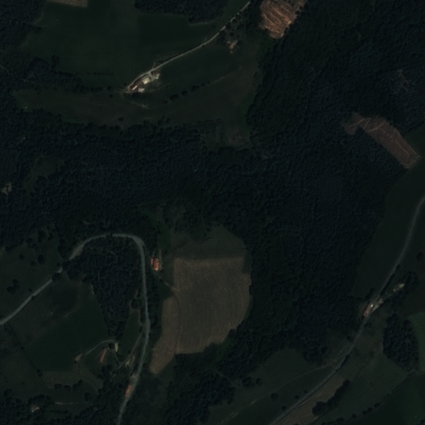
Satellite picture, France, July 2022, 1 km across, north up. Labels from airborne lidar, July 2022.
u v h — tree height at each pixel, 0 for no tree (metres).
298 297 23
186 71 0
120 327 13
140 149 18
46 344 0
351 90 25
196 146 25
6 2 20
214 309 0
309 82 18
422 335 0
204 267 0
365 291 0
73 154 23
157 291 17
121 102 0
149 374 0
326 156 15
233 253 0
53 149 24
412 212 0
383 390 0
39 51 0
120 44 0
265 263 23
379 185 14
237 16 10
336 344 0
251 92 0
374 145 19
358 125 0
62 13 0
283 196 18
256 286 13
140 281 10
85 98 0
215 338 0
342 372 0
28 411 12
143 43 0
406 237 0
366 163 17
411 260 0
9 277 0
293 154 25
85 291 0
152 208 8
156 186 26
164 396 0
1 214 18
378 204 17
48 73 26
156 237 10
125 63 0
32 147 23
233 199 23
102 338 0
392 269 0
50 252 0
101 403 10
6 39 12
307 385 0
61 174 21
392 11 25
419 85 26
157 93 0
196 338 0
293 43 20
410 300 0
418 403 0
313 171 21
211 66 0
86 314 0
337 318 16
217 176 30
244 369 20
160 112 0
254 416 0
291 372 0
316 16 21
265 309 10
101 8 0
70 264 17
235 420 0
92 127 20
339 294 15
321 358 18
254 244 10
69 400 0
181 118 0
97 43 0
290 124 18
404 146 0
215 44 0
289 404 0
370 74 27
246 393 0
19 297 0
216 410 0
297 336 27
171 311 0
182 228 9
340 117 32
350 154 15
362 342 0
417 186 0
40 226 21
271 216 19
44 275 0
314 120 28
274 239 19
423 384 0
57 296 0
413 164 0
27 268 0
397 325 16
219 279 0
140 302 16
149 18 0
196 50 0
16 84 15
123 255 15
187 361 10
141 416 0
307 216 21
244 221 20
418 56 14
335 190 19
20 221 21
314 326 39
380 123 0
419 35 20
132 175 23
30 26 12
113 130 18
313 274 19
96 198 20
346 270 21
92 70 0
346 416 0
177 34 0
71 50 0
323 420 0
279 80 29
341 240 20
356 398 0
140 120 0
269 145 23
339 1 25
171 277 0
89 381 0
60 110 0
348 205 23
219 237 0
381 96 30
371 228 24
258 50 0
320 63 15
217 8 23
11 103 28
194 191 30
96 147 23
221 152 18
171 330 0
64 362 0
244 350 15
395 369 0
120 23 0
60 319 0
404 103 25
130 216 17
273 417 0
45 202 20
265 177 28
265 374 0
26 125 17
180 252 0
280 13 0
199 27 0
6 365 0
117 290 17
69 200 19
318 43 29
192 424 26
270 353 17
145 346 0
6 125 19
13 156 24
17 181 24
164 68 0
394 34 26
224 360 6
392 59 19
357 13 13
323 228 23
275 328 21
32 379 0
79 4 0
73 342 0
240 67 0
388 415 0
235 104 0
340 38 21
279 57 28
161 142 17
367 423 0
